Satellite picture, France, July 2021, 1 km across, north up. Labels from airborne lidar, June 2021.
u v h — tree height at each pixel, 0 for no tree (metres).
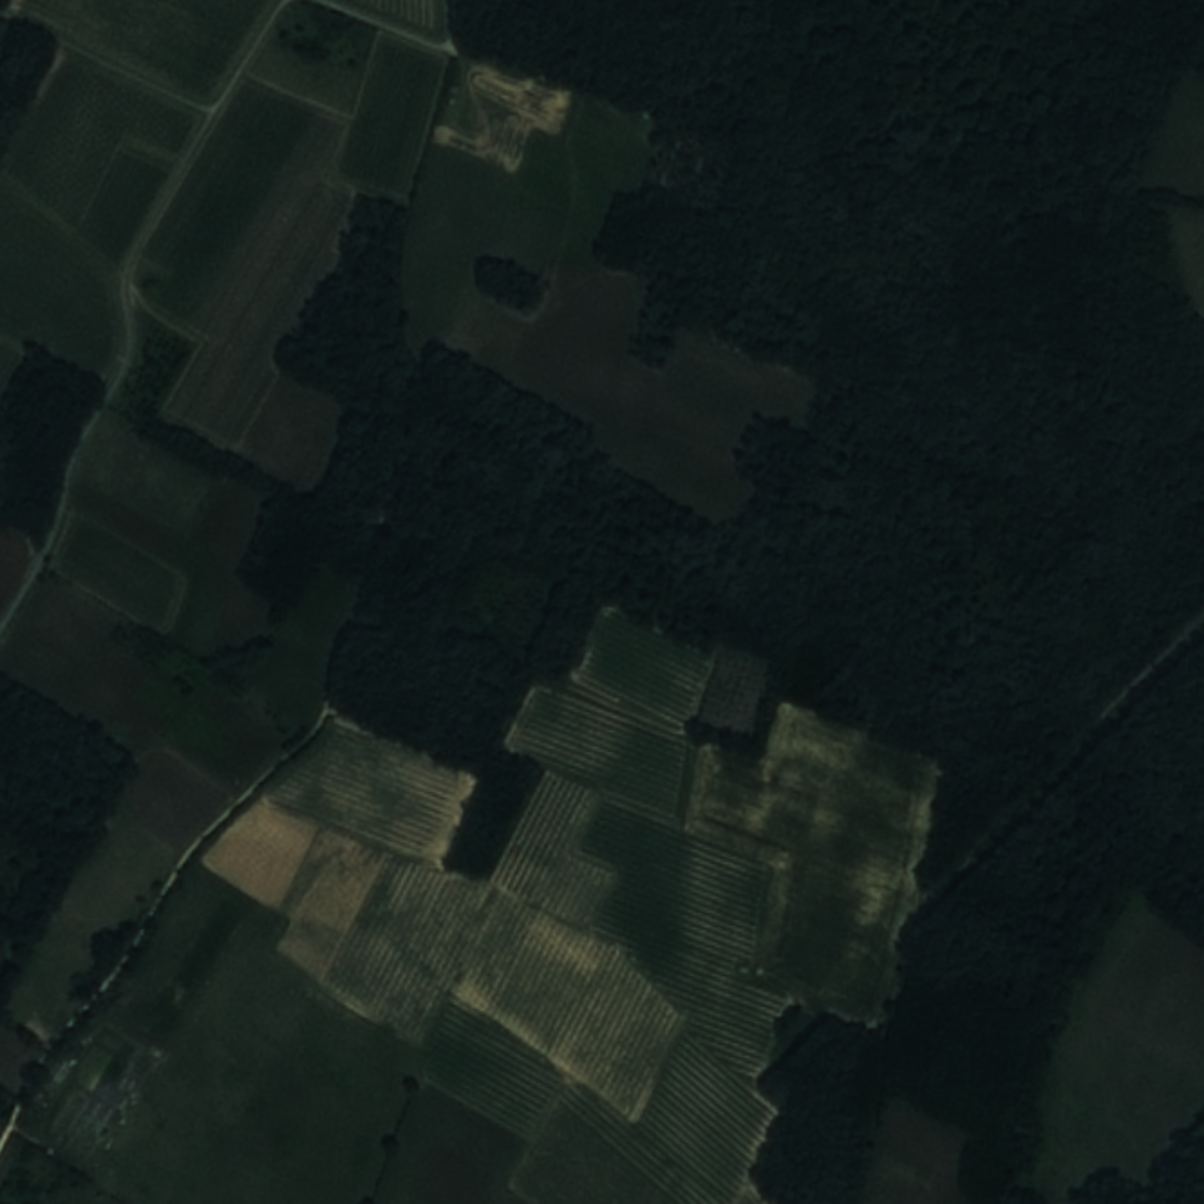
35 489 9
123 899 0
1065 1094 0
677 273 11
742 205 17
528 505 19
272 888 0
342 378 19
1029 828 20
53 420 15
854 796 0
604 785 0
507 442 25
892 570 19
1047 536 18
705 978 0
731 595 18
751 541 17
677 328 18
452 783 0
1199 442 24
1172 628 21
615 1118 0
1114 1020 0
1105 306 18
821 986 0
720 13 24
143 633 7
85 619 0
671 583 14
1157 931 0
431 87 0
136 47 0
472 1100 0
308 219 0
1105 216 18
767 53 25
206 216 0
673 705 0
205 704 0
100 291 0
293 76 0
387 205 15
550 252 0
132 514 0
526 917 0
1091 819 25
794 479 18
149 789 0
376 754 0
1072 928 23
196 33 0
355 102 0
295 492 7
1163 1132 0
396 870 0
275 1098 0
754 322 19
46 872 11
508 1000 0
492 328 0
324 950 0
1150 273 13
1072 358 20
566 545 16
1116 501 24
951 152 7
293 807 0
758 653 15
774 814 0
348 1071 0
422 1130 0
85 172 0
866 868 0
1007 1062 13
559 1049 0
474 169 0
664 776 0
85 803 28
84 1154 0
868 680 22
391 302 18
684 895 0
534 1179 0
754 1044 0
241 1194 0
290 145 0
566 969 0
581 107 0
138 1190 0
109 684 0
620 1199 0
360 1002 0
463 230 0
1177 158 0
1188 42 22
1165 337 20
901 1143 0
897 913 0
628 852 0
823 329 16
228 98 0
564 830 0
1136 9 17
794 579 24
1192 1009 0
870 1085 12
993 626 19
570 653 18
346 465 23
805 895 0
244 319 0
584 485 19
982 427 17
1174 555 22
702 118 16
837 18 15
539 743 0
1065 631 23
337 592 0
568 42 14
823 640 17
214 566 0
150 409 6
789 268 18
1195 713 20
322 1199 0
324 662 0
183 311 0
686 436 0
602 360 0
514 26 20
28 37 14
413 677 20
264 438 0
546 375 0
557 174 0
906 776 0
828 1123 25
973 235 16
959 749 17
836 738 0
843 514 19
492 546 9
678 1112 0
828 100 19
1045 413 19
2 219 0
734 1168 0
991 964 28
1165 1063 0
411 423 16
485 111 0
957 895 20
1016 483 18
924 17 10
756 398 0
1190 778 21
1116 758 24
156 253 0
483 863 11
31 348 14
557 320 0
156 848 0
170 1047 0
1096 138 27
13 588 0
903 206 18
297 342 16
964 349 15
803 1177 20
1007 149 22
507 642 7
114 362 0
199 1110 0
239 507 0
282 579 16
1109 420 17
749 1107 0
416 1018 0
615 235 14
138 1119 0
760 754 12
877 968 0
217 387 0
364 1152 0
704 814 0
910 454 18
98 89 0
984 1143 10
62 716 17
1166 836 22
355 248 15
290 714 0
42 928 22
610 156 0
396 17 0
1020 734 18
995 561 6
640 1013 0
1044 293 16
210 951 0
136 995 0
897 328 10
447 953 0
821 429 17
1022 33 21
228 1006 0
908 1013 12
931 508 21
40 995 0
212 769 0
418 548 15
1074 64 30
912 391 12
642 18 19
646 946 0
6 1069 0
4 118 19
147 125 0
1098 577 21
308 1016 0
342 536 24
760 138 22
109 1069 0
